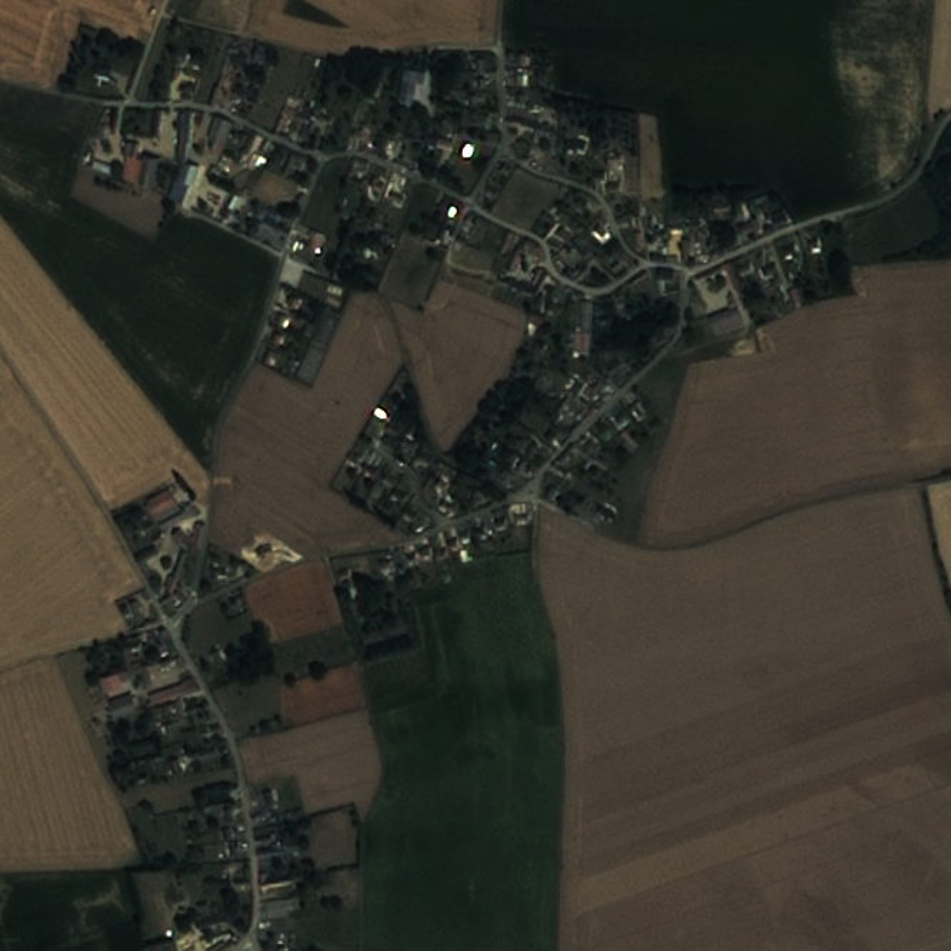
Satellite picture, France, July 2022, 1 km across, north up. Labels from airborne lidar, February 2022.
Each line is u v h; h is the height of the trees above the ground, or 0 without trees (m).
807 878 0
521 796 0
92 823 0
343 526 0
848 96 0
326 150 11
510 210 0
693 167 0
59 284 0
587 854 0
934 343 0
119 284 0
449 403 0
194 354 0
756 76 0
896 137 0
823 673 0
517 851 0
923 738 0
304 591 0
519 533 0
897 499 0
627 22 0
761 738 0
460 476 6
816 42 0
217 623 0
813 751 0
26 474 0
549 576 0
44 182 0
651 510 0
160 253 0
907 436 0
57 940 0
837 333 0
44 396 0
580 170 6
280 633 0
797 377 0
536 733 0
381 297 0
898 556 0
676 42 0
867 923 0
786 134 0
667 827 0
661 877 0
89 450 0
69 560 0
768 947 0
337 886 0
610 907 0
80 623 0
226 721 0
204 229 0
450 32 0
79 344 0
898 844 0
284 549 0
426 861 0
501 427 9
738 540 0
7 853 0
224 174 7
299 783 0
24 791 0
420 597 0
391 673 0
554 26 0
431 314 0
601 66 0
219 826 13
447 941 0
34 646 0
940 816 0
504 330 0
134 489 0
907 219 0
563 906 0
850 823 0
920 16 0
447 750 0
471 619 0
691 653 0
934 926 0
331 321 0
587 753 0
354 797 0
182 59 0
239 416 0
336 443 0
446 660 0
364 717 0
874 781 0
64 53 0
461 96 0
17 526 0
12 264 0
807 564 0
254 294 0
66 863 0
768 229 9
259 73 11
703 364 0
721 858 0
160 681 0
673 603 0
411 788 0
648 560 0
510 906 0
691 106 0
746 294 8
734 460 0
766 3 0
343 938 0
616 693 0
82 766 0
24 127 0
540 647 0
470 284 0
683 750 0
